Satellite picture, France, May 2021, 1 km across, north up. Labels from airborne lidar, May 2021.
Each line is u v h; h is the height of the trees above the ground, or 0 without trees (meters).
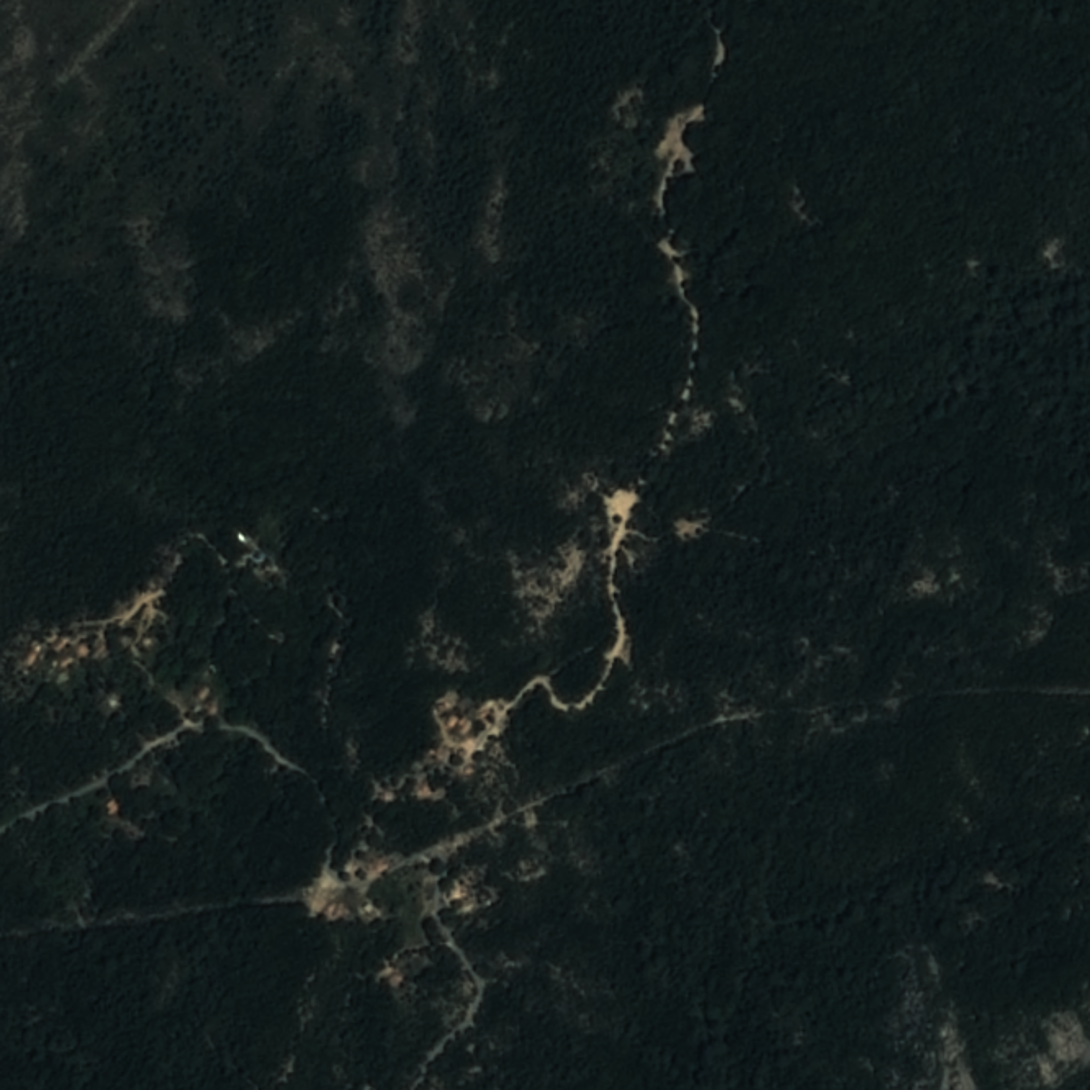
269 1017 10
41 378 14
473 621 6
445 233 11
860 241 11
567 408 10
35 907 12
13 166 0
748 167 9
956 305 8
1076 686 9
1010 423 10
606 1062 7
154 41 6
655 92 10
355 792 8
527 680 9
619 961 8
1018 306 26
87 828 13
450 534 6
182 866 8
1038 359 7
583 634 9
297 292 6
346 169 9
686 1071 16
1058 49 13
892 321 10
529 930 9
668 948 11
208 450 13
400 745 8
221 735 14
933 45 14
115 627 10
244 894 16
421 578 8
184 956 9
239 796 11
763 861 23
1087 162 10
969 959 12
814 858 8
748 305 20
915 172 11
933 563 8
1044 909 15
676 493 14
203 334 9
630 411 6
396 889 0
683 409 16
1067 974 11
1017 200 12
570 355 9
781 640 9
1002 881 6
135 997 11
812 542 9
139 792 11
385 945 11
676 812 7
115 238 8
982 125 14
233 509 11
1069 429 11
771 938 15
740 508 9
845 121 13
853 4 13
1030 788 8
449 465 6
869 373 17
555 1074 9
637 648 7
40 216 6
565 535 7
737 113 10
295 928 9
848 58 13
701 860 11
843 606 10
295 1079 8
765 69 10
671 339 10
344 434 8
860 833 8
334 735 8
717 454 9
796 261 11
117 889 6
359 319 9
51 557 8
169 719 11
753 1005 11
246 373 10
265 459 21
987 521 9
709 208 16
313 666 15
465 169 10
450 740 0
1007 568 12
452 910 8
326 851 8
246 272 17
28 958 7
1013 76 15
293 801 13
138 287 8
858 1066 7
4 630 7
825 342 12
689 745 11
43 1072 14
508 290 9
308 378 15
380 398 7
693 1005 16
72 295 6
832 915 19
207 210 7
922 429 14
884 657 6
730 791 9
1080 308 30
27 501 11
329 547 13
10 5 0
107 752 9
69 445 8
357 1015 11
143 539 8
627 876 14
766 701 7
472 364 9
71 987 14
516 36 7
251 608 14
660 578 7
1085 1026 6
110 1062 6
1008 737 8
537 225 7
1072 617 7
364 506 9
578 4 14
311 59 8
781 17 15
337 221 9
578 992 7
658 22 14
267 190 7
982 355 31
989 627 6
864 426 12
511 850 7
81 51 0
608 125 15
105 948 11
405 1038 7
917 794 8
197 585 17
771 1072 12
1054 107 13
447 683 12
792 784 11
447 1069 12
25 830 10
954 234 8
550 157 9
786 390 12
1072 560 8
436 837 10
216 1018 7
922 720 5
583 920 7
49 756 9
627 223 9
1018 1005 8
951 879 19
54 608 9
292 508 12
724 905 6
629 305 10
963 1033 9
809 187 10
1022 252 8
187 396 6
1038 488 8
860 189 10
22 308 14
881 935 10
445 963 9
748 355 10
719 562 11
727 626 6
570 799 15
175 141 12
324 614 15
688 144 15
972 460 14
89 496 7
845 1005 12
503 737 11
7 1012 19
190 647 15
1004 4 14
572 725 6
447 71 9
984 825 7
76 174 7
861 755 7
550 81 11
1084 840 9
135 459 10
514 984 9
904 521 8
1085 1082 13
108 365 13
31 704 10
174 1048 15
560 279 14
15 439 9
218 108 13
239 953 7
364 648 8
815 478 12
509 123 9
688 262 9
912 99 10
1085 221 8
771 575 10
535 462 8
